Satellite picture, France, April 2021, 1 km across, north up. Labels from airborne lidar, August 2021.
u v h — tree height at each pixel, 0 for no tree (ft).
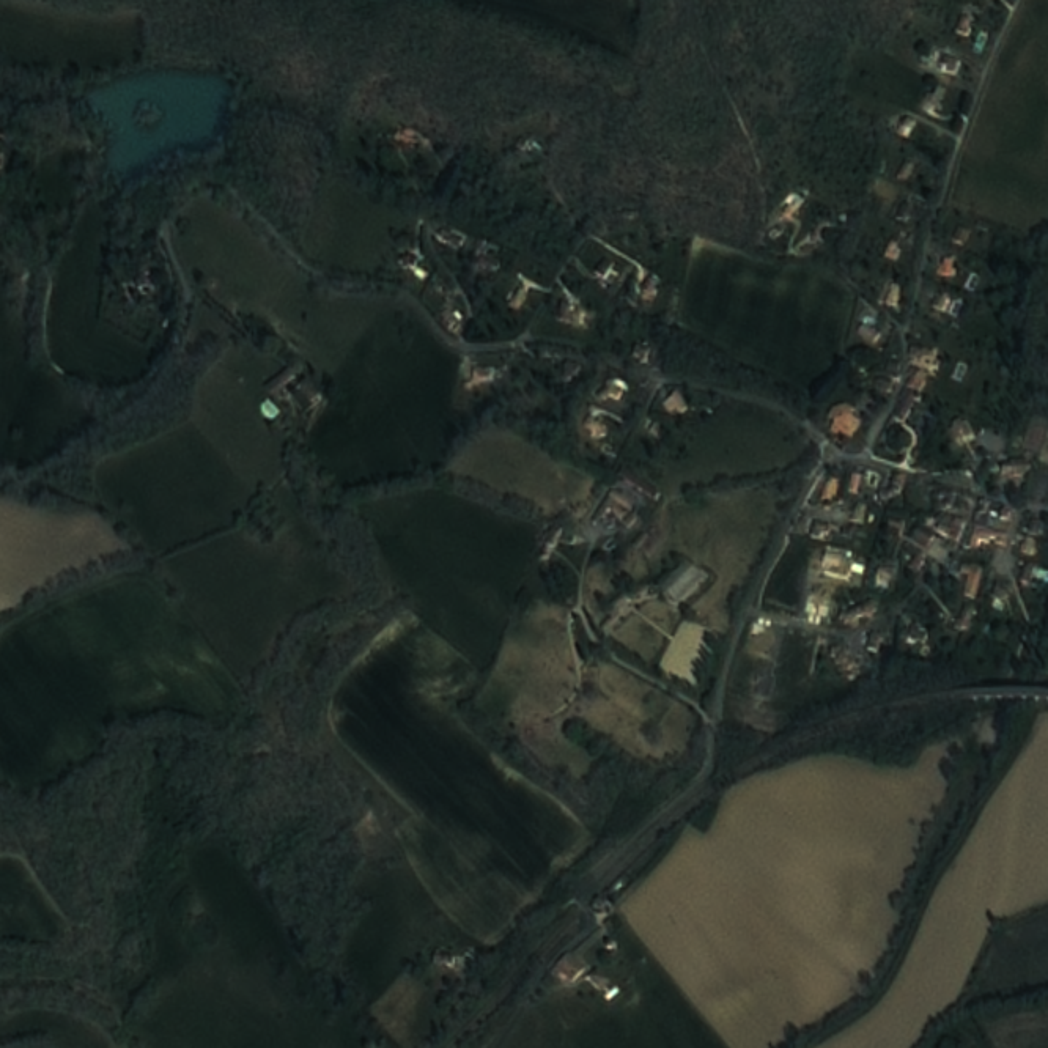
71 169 65
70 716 0
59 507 43
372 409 0
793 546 0
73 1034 0
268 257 0
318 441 0
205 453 0
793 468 36
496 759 0
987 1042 20
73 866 35
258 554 0
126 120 0
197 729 61
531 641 0
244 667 0
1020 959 0
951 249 30
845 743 66
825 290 0
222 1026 0
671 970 0
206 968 0
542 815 0
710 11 20
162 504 0
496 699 0
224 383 0
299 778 63
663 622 0
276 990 0
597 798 70
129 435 65
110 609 0
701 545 0
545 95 42
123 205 60
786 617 0
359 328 0
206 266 0
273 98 38
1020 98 0
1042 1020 0
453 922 0
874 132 30
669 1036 0
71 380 34
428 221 42
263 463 0
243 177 89
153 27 61
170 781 50
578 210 31
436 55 43
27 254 66
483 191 46
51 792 48
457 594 0
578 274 44
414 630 0
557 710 0
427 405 0
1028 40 0
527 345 28
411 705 0
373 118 40
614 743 48
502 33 43
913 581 41
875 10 50
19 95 73
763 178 40
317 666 21
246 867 67
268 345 60
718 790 48
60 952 35
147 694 0
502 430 59
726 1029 0
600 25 0
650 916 0
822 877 0
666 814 0
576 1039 0
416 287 38
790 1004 0
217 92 0
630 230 44
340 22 64
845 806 0
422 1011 0
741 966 0
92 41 0
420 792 0
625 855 0
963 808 25
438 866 0
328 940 79
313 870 67
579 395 56
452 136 45
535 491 0
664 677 58
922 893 24
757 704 0
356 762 0
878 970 28
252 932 0
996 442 0
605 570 20
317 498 46
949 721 56
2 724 0
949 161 30
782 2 61
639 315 37
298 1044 0
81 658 0
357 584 35
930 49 29
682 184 31
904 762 56
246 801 54
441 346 0
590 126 49
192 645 0
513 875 0
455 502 0
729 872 0
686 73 34
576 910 0
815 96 32
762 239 50
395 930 0
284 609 0
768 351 0
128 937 40
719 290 0
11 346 0
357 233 0
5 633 0
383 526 0
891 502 27
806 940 0
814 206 20
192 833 25
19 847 38
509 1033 0
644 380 0
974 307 24
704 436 0
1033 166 0
